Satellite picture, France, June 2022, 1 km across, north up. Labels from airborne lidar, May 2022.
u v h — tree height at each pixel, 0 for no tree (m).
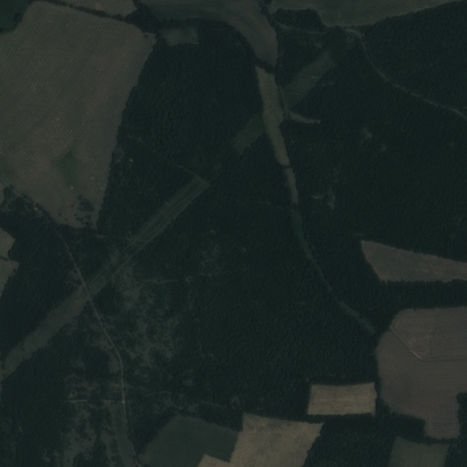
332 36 12
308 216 8
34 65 0
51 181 0
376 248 0
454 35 13
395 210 9
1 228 11
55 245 14
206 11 0
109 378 10
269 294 6
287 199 15
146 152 8
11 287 10
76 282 6
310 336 12
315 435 0
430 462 0
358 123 12
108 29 0
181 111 13
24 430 11
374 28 12
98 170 0
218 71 12
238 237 8
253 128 0
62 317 0
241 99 11
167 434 0
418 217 7
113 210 7
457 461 9
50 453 10
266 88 0
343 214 9
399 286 11
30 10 0
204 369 9
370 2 0
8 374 0
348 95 12
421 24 13
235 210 8
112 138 0
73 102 0
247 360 8
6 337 10
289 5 0
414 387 0
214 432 0
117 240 5
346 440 9
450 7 10
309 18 7
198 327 6
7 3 0
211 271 5
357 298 15
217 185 12
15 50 0
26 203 6
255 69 10
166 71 7
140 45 0
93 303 7
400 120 9
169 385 6
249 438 0
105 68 0
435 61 9
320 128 9
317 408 0
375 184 9
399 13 0
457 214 7
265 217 8
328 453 10
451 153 9
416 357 0
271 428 0
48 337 0
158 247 10
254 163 10
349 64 9
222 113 13
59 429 7
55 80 0
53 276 14
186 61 12
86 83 0
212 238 6
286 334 7
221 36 8
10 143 0
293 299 10
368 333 17
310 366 12
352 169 8
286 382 12
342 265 12
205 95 13
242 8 0
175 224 8
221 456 0
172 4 0
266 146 16
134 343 5
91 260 6
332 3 0
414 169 8
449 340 0
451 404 0
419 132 7
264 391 11
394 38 12
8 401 12
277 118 0
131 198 7
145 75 8
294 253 8
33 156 0
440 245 9
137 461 10
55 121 0
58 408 10
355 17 0
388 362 0
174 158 11
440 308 13
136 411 8
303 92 0
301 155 8
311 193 8
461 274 0
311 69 0
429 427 0
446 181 7
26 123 0
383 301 10
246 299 9
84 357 9
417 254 10
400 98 8
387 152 8
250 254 7
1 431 10
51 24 0
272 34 0
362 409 0
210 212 7
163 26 10
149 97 7
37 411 11
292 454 0
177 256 8
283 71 8
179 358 6
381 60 13
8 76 0
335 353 10
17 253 14
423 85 11
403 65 11
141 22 17
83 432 6
